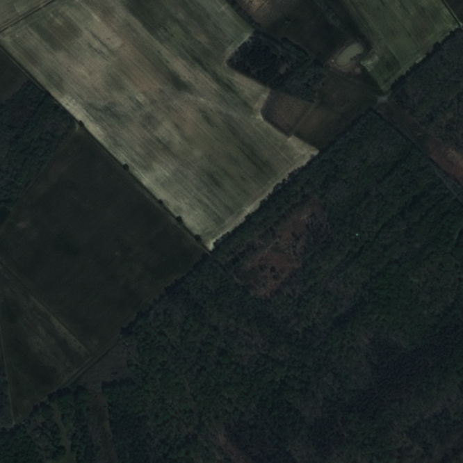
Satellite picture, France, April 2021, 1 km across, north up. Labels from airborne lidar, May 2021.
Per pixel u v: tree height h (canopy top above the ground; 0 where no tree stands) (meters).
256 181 0
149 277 0
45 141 18
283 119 23
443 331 17
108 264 0
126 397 23
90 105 0
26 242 0
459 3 0
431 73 17
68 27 0
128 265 0
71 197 0
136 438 29
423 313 15
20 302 0
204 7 0
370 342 17
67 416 19
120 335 0
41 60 0
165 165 0
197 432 17
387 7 0
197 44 0
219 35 0
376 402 17
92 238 0
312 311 23
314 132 0
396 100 10
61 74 0
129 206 0
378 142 24
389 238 17
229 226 0
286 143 0
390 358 18
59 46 0
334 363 22
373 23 0
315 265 21
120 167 0
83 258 0
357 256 11
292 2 0
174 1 0
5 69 0
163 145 0
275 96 19
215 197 0
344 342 14
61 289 0
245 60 18
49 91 0
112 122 0
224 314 26
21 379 0
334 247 26
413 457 8
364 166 21
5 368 7
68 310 0
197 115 0
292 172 0
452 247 14
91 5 0
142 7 0
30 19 0
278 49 18
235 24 0
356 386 15
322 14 0
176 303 23
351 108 0
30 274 0
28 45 0
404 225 18
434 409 13
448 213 14
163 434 20
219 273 23
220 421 19
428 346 18
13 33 0
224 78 0
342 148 13
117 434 26
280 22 0
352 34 0
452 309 13
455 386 14
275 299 17
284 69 19
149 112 0
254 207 0
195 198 0
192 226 0
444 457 0
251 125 0
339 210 13
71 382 0
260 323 24
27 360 0
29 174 11
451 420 26
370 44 0
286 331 25
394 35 0
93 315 0
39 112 12
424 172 24
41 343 0
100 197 0
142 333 23
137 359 15
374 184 16
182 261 0
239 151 0
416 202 16
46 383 0
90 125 0
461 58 20
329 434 20
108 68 0
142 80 0
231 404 15
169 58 0
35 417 16
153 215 0
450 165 0
